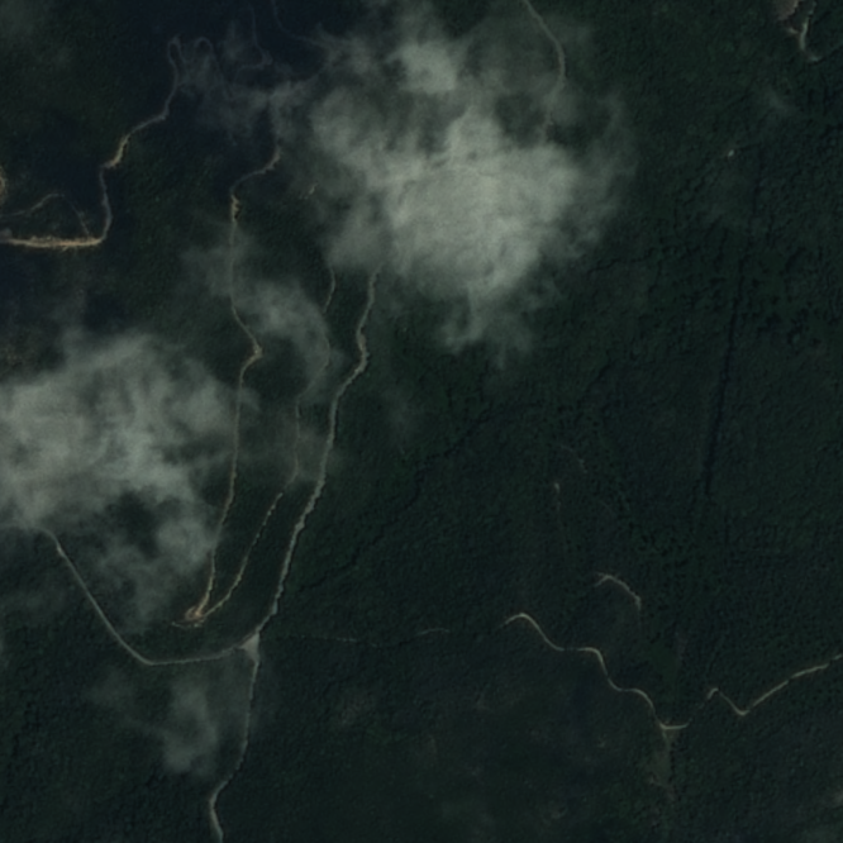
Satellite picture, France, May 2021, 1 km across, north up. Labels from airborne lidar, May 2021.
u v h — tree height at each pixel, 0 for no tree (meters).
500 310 18
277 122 8
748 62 8
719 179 11
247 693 11
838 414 15
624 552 10
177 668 11
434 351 9
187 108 10
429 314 15
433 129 6
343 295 9
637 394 11
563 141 12
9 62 7
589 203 11
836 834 8
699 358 16
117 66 7
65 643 9
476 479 18
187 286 8
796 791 6
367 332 15
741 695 7
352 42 10
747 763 8
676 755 11
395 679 11
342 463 14
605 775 7
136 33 12
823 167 14
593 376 17
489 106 9
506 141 6
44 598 7
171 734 18
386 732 9
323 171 8
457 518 13
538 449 18
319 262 7
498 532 12
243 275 9
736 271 10
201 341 8
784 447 18
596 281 18
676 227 9
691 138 14
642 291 19
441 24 11
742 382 18
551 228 9
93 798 8
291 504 6
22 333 7
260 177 10
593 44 11
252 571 9
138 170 12
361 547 10
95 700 8
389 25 13
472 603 12
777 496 16
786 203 13
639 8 13
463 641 7
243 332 8
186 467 7
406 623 8
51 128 5
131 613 6
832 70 12
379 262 7
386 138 7
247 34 8
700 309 18
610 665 6
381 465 7
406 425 11
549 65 10
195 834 15
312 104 8
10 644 12
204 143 6
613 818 8
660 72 13
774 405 16
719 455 19
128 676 7
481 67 8
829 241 12
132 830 16
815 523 7
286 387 7
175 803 9
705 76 8
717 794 11
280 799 8
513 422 16
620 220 11
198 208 6
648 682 7
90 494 9
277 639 9
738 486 19
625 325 16
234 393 9
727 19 13
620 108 13
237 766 9
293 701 7
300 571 12
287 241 10
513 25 14
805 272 19
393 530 12
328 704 7
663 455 8
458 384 9
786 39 10
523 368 14
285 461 9
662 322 12
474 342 13
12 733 17
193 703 11
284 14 14
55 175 6
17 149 8
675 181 18
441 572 9
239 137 6
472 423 11
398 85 7
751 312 7
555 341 16
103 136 6
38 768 9
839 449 11
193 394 8
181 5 6
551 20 14
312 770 8
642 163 9
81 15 7
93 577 7
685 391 16
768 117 15
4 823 19
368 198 10
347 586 14
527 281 21
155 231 8
